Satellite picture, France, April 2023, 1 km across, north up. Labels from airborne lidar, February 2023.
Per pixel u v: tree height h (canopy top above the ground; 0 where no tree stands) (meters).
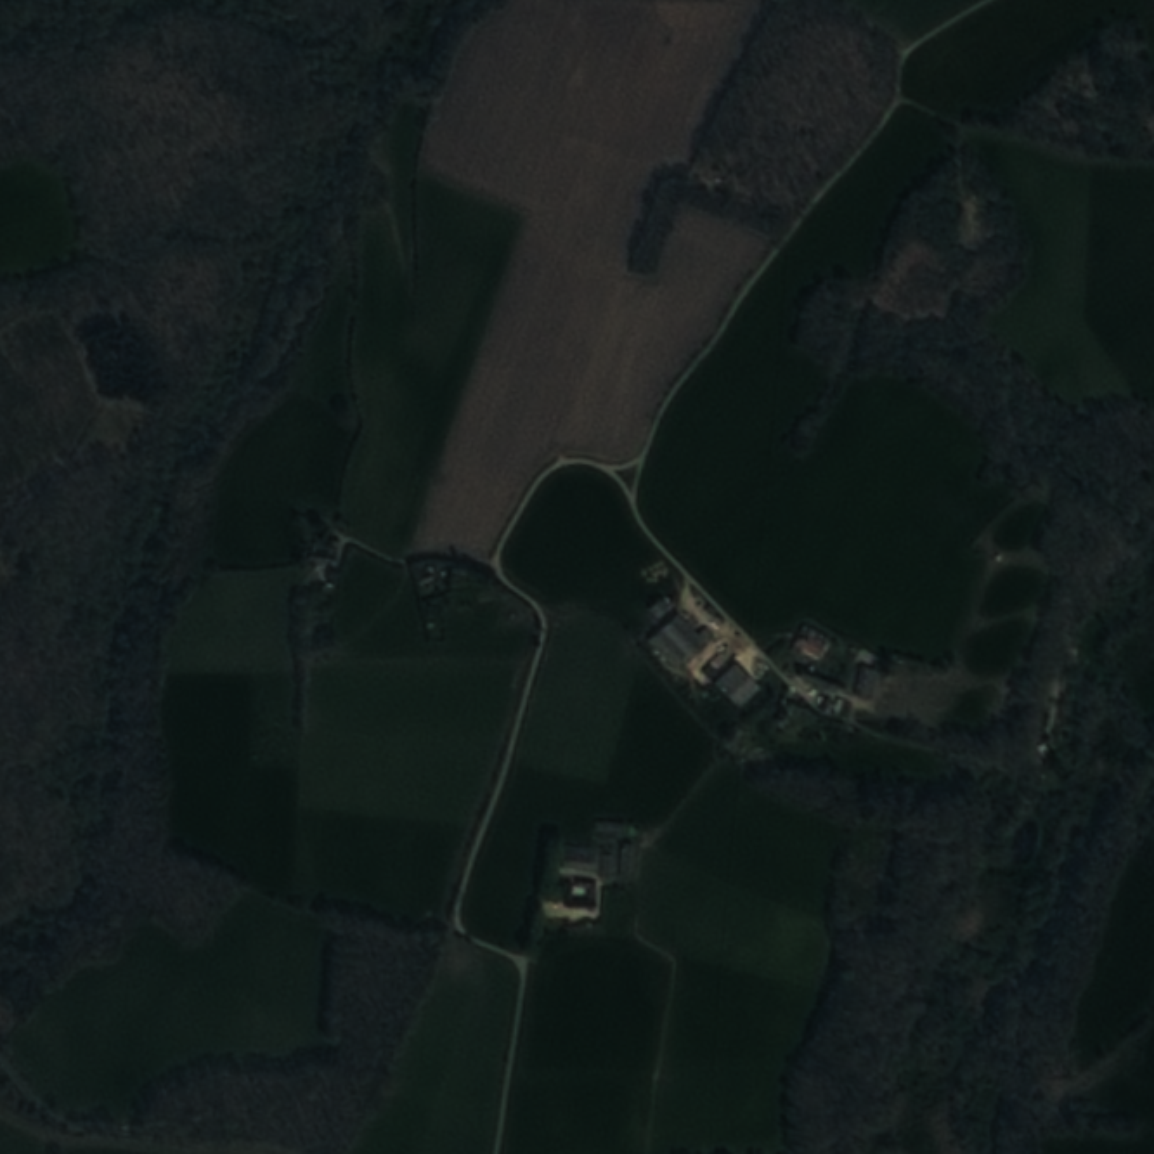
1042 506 0
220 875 19
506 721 0
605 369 0
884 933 24
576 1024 0
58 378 0
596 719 0
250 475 0
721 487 0
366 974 20
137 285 17
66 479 19
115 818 25
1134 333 0
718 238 0
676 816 0
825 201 0
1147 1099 0
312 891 0
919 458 0
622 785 0
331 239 12
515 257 0
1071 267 0
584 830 0
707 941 0
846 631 0
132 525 11
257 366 19
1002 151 0
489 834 0
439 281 0
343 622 0
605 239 0
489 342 0
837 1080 24
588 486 0
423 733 0
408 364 0
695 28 16
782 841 0
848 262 0
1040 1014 24
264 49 19
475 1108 0
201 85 12
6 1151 0
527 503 0
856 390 0
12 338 0
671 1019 0
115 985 0
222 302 12
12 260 0
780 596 0
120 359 7
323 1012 14
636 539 0
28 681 19
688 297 0
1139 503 16
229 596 0
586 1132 0
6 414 0
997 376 12
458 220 0
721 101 11
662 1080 0
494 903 0
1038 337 0
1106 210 0
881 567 0
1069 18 0
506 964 0
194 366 17
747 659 0
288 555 0
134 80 13
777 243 11
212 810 0
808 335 14
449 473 0
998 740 17
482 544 0
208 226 17
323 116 15
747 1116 0
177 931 18
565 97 0
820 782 20
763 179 9
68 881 15
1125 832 24
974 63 0
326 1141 20
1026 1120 23
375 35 7
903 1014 22
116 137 14
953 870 25
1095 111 7
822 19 14
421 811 0
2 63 22
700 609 0
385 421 0
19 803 16
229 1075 18
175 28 14
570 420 0
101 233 17
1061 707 8
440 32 7
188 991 0
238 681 0
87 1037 0
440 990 0
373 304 0
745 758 0
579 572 0
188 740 0
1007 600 0
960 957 9
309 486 0
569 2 0
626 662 0
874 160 0
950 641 0
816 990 0
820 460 0
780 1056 0
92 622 17
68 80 14
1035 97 7
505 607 0
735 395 0
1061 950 22
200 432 11
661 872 0
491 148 0
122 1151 0
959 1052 8
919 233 15
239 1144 18
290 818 0
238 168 18
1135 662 0
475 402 0
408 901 0
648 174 0
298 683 12
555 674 0
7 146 15
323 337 0
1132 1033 6
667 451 0
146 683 19
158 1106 22
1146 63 13
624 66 0
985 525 0
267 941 0
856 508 0
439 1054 0
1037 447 10
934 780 0
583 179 0
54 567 19
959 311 13
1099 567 18
